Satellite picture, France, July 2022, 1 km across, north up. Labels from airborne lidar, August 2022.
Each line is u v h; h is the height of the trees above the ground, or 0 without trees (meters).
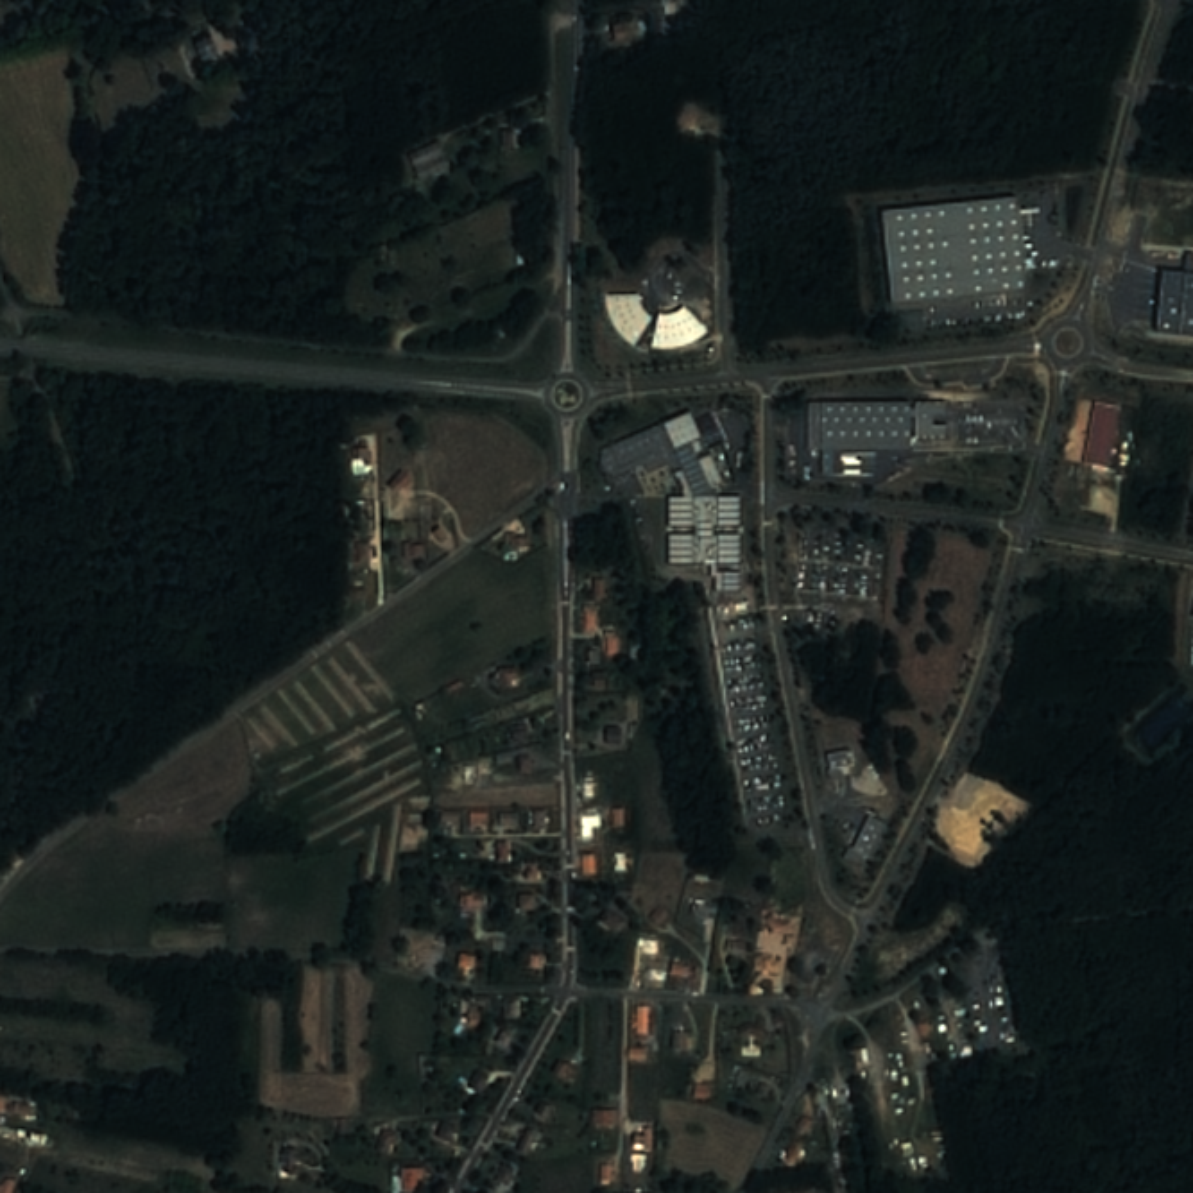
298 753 0
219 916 11
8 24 0
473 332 11
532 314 15
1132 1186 16
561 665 0
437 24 20
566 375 0
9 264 0
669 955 0
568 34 0
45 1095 11
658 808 0
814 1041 0
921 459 0
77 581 28
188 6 28
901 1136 0
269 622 20
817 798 0
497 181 8
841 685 16
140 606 21
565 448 0
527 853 5
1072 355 0
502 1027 11
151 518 26
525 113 12
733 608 0
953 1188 11
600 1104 8
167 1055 0
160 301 18
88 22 27
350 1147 7
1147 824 18
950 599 11
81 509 24
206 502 27
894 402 0
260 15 24
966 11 17
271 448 23
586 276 18
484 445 0
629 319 0
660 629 21
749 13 15
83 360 0
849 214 12
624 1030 0
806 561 0
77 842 0
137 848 0
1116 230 0
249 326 19
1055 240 0
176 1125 20
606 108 12
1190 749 18
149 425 22
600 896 13
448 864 8
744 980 11
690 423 0
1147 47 0
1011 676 8
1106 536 0
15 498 13
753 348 8
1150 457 0
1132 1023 18
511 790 0
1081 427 0
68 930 0
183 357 0
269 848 9
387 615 0
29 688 21
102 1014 7
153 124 28
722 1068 0
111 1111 19
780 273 12
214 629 22
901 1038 0
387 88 26
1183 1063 20
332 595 20
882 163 20
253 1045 0
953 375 0
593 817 0
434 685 0
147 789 0
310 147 26
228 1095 19
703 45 19
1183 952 15
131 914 0
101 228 24
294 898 0
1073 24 12
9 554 18
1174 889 13
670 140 11
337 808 0
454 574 0
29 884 0
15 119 0
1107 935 9
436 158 0
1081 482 0
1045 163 11
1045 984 23
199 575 25
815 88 25
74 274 22
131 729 23
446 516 0
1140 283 0
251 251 7
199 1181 7
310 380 0
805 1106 0
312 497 21
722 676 0
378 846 0
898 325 21
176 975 14
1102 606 7
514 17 13
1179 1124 21
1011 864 15
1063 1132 20
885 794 0
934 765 0
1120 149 0
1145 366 0
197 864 0
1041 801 8
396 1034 0
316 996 0
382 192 25
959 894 20
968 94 20
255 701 0
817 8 19
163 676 27
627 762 0
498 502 0
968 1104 16
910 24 19
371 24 18
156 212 25
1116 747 11
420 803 0
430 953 0
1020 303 0
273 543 29
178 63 0
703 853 19
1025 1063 9
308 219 27
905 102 20
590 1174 0
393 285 16
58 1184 0
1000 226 0
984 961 0
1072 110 14
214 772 0
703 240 8
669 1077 0
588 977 11
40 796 26
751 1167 0
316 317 18
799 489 7
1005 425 0
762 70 21
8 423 0
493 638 0
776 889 15
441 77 17
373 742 0
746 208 20
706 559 0
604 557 14
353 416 14
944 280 0
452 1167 10
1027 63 19
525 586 0
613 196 7
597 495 0
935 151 22
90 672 25
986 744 7
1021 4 8
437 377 0
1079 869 15
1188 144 18
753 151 26
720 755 21
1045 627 10
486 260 0
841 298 13
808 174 22
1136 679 14
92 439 20
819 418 0
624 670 18
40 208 0
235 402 23
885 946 0
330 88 28
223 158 24
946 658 0
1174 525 16
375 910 14
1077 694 8
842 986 0
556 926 13
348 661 0
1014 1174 23
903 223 0
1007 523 0
